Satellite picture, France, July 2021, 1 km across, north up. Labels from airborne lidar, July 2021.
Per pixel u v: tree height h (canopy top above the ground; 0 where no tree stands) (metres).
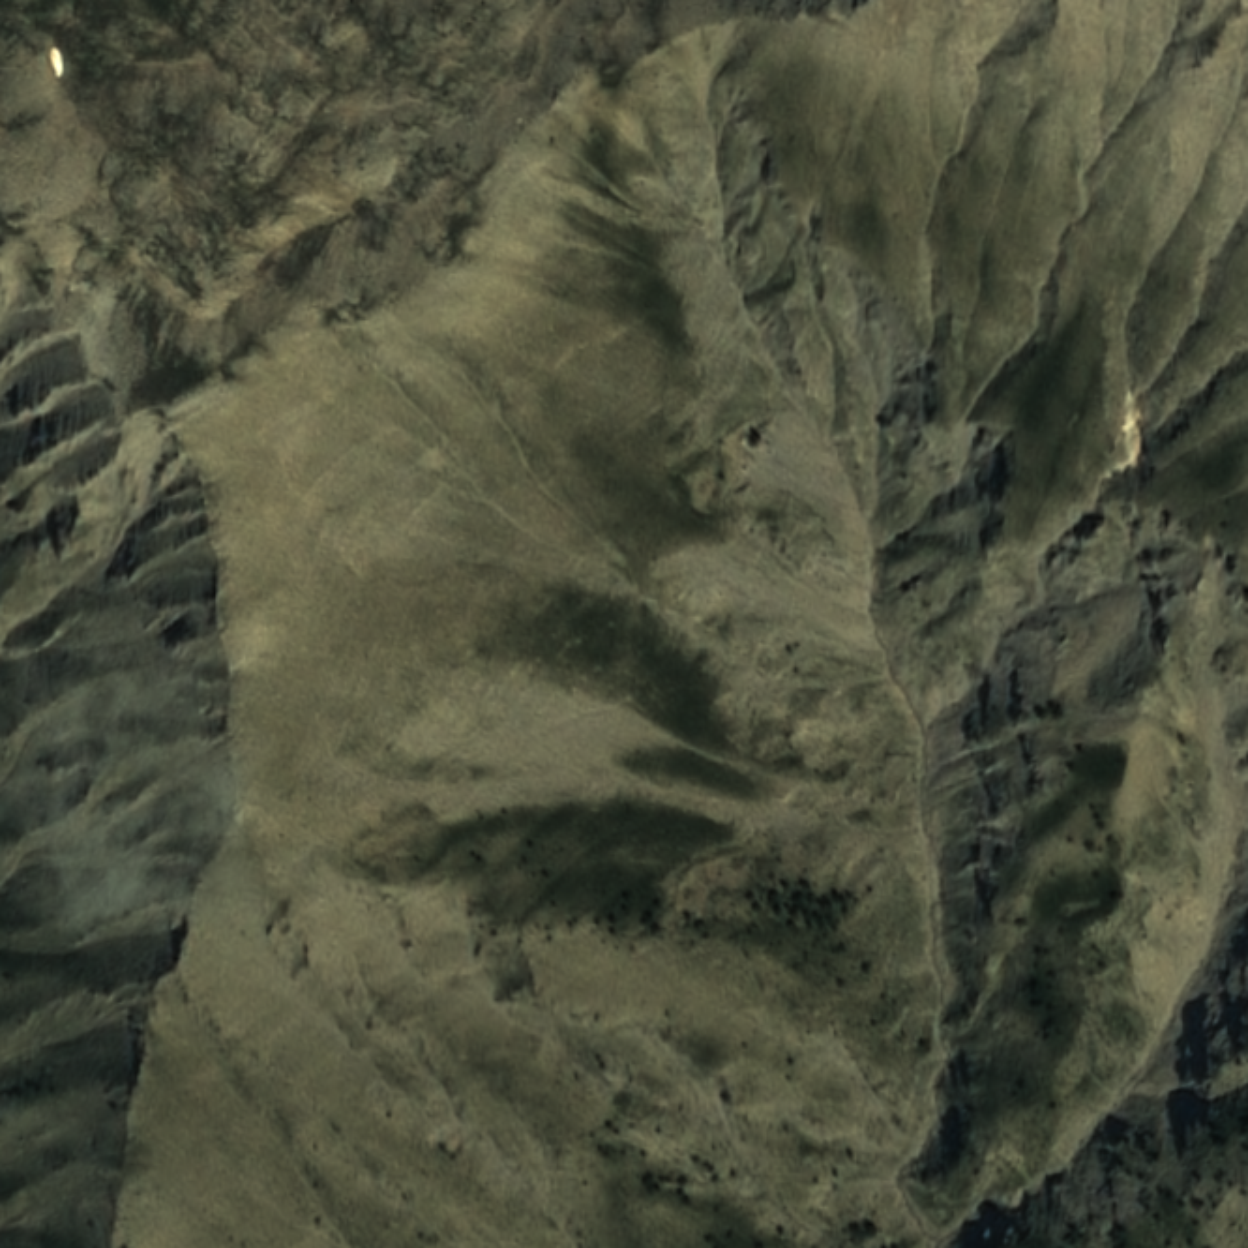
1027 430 0
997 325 0
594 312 0
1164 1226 0
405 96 0
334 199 0
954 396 0
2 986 0
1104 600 0
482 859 8
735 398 0
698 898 0
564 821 0
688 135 0
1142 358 0
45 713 0
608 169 0
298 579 0
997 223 0
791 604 0
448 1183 0
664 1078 0
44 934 0
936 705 0
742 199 0
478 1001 0
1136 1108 0
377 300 0
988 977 0
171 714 0
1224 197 0
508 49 0
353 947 0
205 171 0
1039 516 0
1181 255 0
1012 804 0
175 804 0
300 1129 0
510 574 0
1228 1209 0
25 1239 0
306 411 0
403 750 0
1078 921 0
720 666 0
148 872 0
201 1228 0
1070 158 0
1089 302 0
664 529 0
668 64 0
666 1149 0
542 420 0
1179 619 0
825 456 0
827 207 0
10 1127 0
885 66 0
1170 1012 0
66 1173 0
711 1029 0
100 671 0
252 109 0
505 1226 0
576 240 0
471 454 0
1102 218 0
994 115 0
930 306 0
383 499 0
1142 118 0
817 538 0
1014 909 0
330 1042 0
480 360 0
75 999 0
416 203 0
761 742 0
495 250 0
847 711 0
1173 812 0
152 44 0
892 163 0
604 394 0
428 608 0
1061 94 0
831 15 0
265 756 0
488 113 0
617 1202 0
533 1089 0
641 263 0
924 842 0
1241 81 0
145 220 0
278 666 0
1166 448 0
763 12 0
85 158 0
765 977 0
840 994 0
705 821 0
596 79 0
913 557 0
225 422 0
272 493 0
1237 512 0
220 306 0
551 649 0
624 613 0
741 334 0
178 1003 0
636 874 0
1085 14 0
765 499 0
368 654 0
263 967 0
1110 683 0
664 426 0
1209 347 0
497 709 0
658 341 0
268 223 0
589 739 0
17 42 0
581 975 0
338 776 0
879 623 0
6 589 0
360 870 0
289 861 0
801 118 0
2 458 0
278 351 0
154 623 0
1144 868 0
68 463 0
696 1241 0
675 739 0
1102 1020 0
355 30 0
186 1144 0
